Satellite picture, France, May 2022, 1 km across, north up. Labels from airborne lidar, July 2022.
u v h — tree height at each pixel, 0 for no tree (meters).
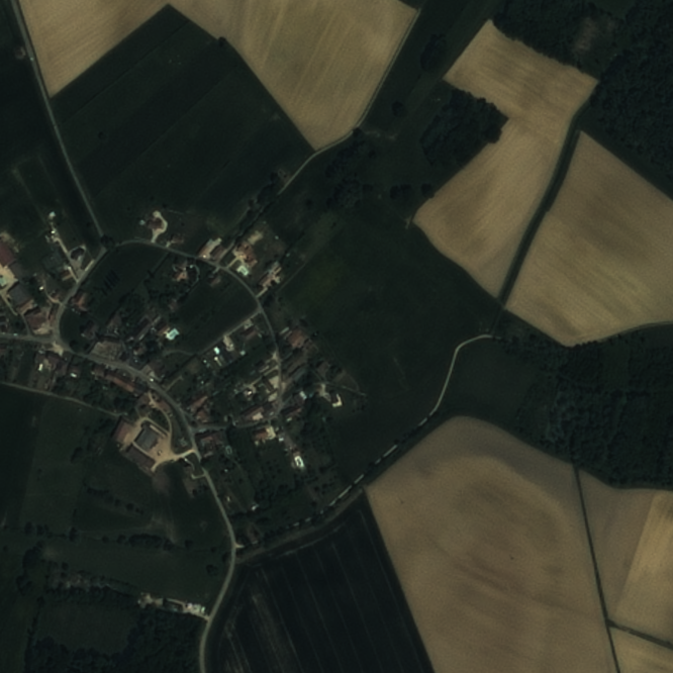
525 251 0
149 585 0
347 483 0
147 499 0
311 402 9
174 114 0
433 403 0
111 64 0
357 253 0
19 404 0
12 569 0
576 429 15
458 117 19
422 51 0
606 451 23
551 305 0
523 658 0
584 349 12
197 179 0
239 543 9
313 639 0
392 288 0
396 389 0
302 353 8
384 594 0
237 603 0
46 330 0
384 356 0
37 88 0
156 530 0
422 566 0
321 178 0
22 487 0
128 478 0
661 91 14
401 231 0
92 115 0
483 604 0
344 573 0
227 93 0
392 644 0
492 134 24
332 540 0
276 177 14
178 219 0
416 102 0
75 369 0
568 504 0
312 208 15
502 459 0
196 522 0
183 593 0
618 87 23
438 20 0
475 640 0
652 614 0
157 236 0
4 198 0
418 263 0
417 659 0
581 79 0
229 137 0
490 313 0
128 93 0
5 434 0
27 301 0
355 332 0
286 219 0
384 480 0
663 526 0
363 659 0
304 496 0
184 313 0
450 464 0
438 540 0
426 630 0
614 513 0
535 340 12
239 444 15
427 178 0
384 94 0
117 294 0
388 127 0
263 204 13
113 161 0
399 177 0
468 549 0
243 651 0
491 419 0
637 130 28
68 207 0
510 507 0
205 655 0
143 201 0
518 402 0
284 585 0
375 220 0
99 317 0
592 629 0
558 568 0
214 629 0
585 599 0
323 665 0
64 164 0
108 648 0
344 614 0
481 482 0
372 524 0
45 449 0
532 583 0
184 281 7
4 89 0
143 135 0
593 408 9
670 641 0
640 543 0
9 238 0
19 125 0
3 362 8
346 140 0
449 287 0
